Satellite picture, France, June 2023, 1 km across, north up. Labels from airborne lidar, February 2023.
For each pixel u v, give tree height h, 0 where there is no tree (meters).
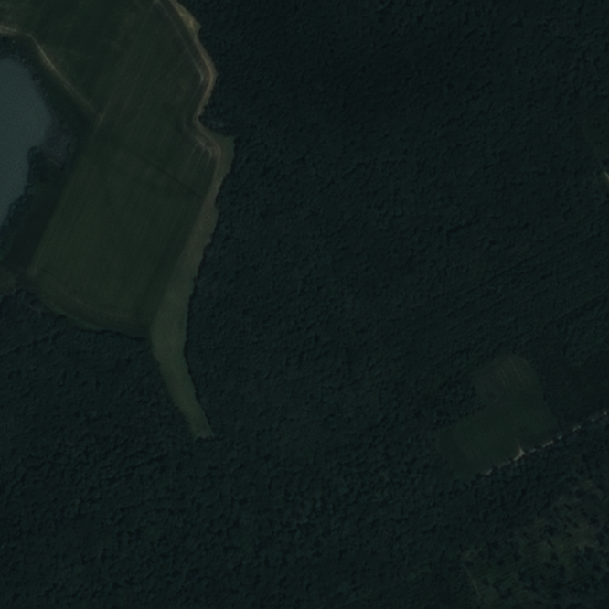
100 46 0
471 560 0
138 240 0
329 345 12
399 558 28
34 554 23
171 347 0
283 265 23
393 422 26
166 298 0
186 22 0
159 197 0
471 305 14
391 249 21
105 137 0
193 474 29
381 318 19
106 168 0
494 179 21
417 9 24
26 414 24
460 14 21
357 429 26
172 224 0
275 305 24
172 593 23
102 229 0
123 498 27
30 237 0
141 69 0
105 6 0
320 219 24
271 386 22
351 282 23
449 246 24
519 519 26
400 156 25
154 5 0
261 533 30
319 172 24
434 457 22
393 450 22
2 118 0
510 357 0
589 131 0
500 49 26
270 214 23
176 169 0
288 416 22
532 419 0
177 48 0
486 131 24
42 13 0
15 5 0
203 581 32
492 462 0
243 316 21
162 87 0
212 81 0
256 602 26
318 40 24
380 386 17
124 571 22
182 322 0
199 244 0
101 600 23
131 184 0
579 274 16
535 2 28
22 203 15
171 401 16
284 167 25
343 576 26
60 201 0
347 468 22
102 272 0
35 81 14
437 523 18
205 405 22
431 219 23
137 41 0
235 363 23
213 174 0
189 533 23
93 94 0
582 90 25
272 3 25
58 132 0
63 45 0
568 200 20
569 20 23
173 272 0
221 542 25
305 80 25
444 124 21
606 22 26
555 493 26
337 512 24
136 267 0
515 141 19
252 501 25
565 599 23
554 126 22
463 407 16
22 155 0
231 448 16
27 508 26
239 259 24
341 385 17
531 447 0
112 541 22
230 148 0
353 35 23
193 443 23
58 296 0
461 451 0
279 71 25
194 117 0
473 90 26
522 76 22
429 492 27
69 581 25
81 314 0
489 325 15
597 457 27
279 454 27
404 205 28
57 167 0
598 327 20
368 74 25
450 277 21
